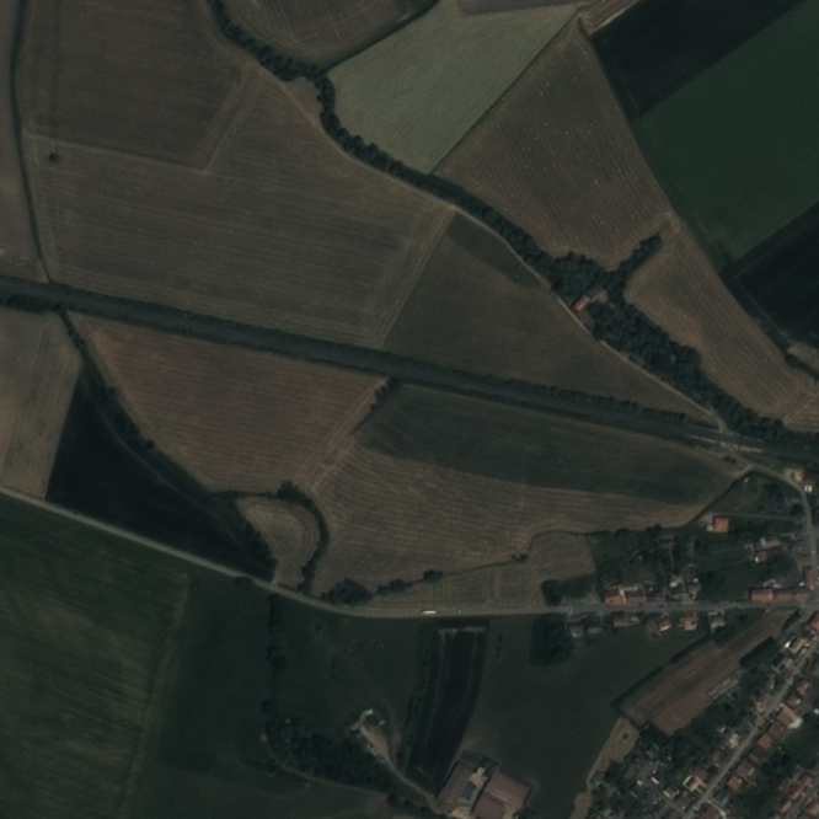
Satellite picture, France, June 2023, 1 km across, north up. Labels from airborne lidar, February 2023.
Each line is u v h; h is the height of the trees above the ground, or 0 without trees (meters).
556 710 0
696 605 0
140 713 0
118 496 0
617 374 0
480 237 0
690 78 0
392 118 0
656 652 0
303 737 16
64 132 0
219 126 0
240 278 0
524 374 0
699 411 0
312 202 0
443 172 0
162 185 0
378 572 0
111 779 0
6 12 0
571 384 0
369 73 0
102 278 0
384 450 0
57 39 0
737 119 0
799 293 0
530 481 0
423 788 0
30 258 0
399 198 0
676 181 0
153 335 0
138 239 0
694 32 0
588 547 0
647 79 0
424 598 0
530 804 0
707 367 0
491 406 0
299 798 0
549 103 0
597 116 0
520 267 0
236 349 0
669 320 0
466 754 0
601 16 0
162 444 0
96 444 0
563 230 0
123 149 0
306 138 0
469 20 0
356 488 0
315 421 0
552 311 0
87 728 0
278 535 0
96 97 0
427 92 0
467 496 0
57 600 0
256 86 0
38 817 0
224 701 0
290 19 0
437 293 0
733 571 0
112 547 0
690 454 0
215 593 0
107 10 0
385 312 0
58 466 0
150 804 0
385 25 0
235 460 0
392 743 0
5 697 0
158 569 0
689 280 0
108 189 0
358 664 0
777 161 0
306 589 12
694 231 0
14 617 0
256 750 0
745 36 0
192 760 0
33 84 0
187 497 0
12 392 0
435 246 0
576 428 0
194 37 0
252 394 0
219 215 0
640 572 0
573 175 0
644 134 0
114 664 0
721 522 0
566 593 0
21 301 7
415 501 0
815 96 0
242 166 0
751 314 0
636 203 0
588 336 0
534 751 0
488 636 0
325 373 0
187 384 0
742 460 0
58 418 0
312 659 0
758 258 0
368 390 0
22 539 0
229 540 0
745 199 0
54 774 0
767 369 0
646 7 0
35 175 0
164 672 0
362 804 0
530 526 0
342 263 0
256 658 0
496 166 0
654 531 8
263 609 0
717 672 0
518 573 0
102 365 0
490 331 0
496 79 0
